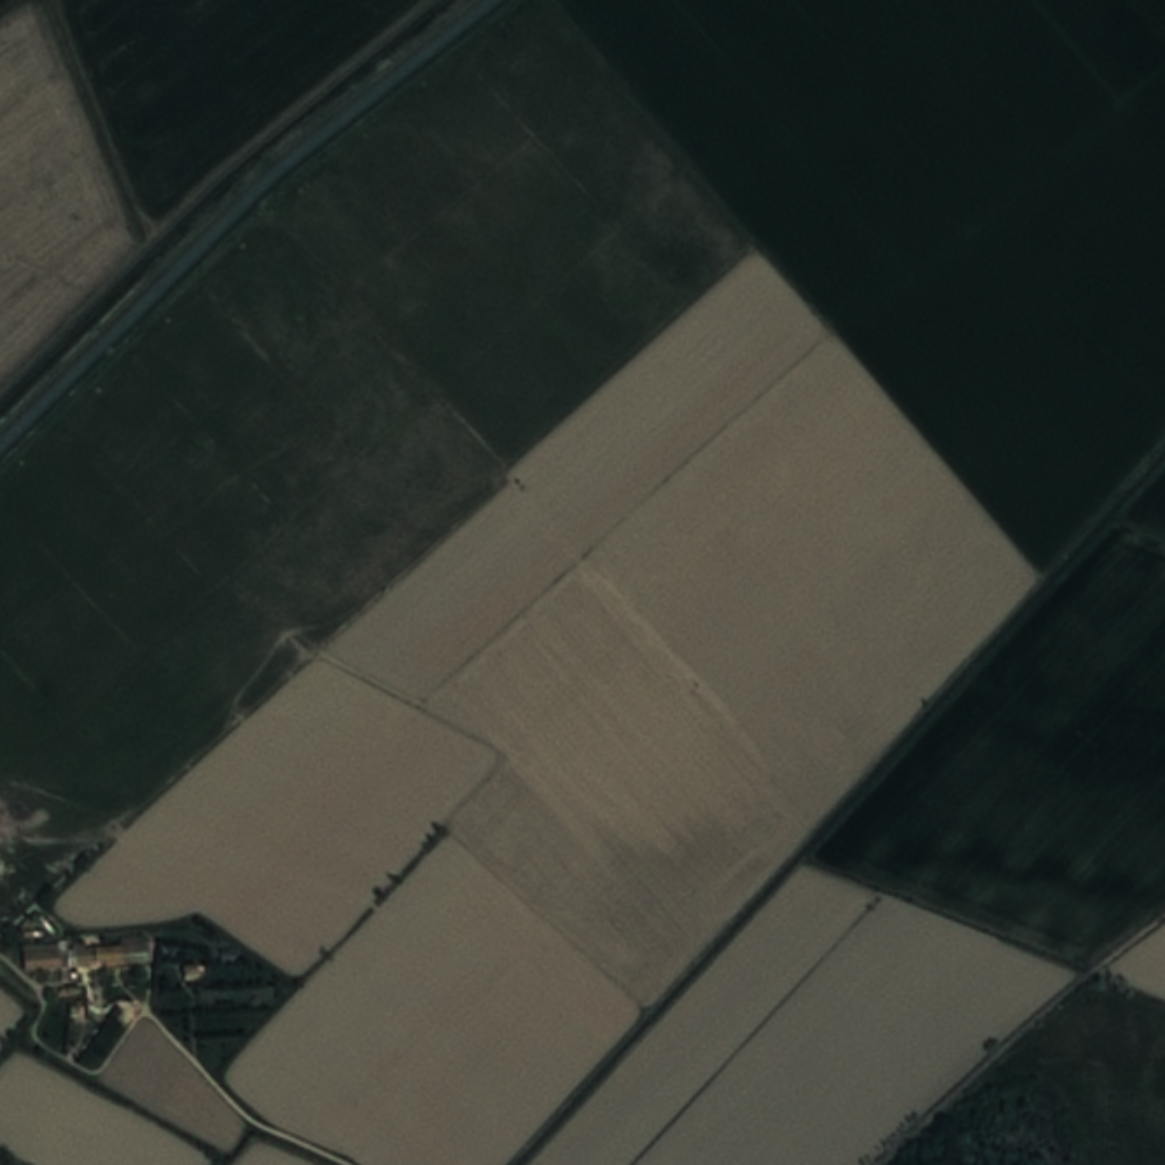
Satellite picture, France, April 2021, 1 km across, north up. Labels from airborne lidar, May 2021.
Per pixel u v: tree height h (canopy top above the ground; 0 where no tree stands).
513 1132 0
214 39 0
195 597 0
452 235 0
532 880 0
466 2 0
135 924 0
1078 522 0
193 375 0
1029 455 0
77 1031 0
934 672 0
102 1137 0
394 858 0
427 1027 0
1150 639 0
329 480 0
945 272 0
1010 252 0
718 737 0
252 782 0
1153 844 0
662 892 0
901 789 0
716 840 0
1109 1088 0
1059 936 0
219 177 0
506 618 0
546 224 0
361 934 0
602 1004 0
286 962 0
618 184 0
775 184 0
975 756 0
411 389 0
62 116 0
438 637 0
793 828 0
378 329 0
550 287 0
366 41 0
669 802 0
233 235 0
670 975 0
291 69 0
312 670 0
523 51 0
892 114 0
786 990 0
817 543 0
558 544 0
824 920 0
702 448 0
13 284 0
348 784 0
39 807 0
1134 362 0
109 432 0
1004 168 0
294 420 0
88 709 0
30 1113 0
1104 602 0
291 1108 0
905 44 0
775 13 0
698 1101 0
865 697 0
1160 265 0
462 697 0
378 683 0
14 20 0
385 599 0
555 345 0
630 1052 0
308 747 0
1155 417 0
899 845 0
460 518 0
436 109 0
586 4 0
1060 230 0
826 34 0
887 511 0
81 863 9
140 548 0
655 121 0
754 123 0
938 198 0
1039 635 0
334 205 0
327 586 0
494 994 0
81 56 0
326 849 0
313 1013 0
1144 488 0
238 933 0
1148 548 0
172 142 0
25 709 0
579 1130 0
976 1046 0
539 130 0
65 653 0
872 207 0
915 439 0
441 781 0
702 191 0
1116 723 0
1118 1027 0
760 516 0
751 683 0
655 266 0
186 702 0
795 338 0
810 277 0
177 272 0
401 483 0
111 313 0
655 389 0
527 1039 0
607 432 0
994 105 0
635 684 0
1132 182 0
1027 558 0
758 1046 0
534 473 0
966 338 0
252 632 0
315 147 0
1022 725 0
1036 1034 0
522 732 0
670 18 0
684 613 0
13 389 0
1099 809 0
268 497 0
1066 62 0
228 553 0
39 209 0
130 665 0
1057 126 0
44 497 0
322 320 0
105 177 0
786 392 0
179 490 0
